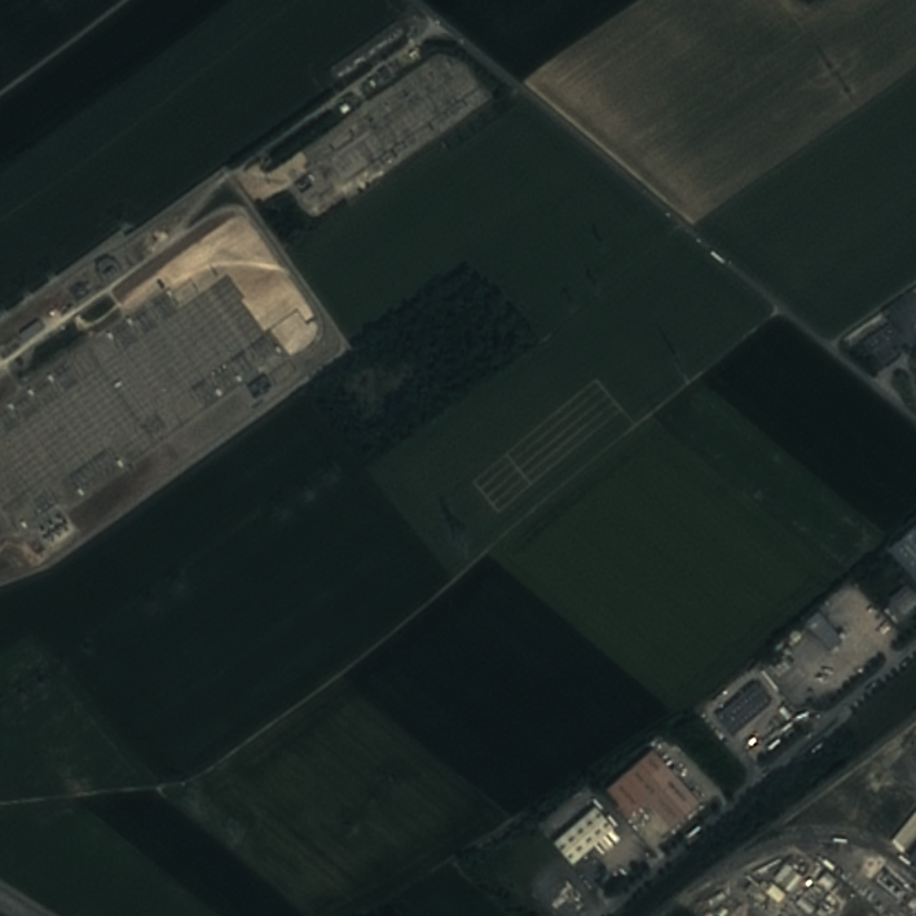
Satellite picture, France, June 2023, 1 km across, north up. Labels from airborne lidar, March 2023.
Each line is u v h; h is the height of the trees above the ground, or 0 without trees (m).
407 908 0
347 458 0
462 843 0
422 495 0
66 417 0
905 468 0
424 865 0
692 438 0
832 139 0
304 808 0
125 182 0
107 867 0
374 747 0
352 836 0
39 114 0
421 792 0
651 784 0
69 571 0
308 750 0
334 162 0
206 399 0
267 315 0
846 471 0
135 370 0
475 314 18
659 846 0
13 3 0
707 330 0
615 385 0
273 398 0
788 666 0
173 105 0
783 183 0
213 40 0
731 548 0
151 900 0
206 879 0
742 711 0
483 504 0
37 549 0
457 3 0
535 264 0
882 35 0
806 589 0
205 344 0
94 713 0
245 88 0
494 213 0
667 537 0
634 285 0
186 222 0
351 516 0
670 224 0
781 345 0
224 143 0
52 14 0
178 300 0
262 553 0
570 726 0
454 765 0
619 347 0
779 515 0
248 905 0
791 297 0
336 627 0
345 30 0
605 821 0
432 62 0
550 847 0
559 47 0
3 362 0
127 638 0
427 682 0
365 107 0
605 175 0
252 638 0
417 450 0
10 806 0
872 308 0
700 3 0
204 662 0
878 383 0
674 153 0
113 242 0
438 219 0
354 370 13
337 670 0
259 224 0
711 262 0
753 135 0
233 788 0
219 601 0
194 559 0
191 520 0
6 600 0
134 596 0
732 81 0
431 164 0
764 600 0
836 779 0
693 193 0
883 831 0
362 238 0
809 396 0
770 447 0
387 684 0
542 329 0
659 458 0
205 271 0
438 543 0
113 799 0
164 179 0
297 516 0
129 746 0
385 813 0
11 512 0
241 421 0
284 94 0
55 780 0
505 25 0
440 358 19
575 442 0
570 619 0
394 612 0
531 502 0
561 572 0
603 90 0
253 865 0
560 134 0
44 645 0
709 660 0
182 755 0
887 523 0
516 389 0
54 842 0
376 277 0
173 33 0
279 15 0
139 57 0
